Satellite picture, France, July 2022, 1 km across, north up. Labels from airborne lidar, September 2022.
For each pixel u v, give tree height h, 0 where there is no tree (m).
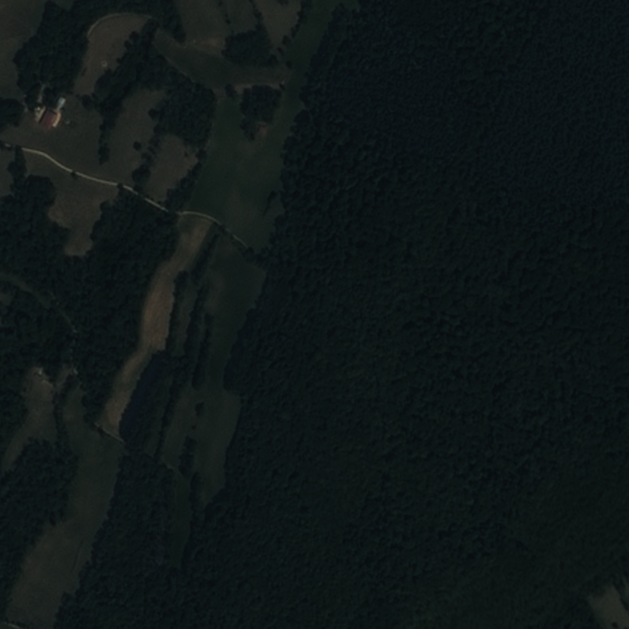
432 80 18
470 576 19
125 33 0
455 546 18
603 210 26
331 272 22
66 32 19
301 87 0
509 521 21
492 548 20
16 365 15
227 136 0
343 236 29
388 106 16
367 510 20
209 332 14
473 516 20
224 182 0
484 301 23
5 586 21
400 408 18
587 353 22
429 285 20
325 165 17
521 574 24
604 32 33
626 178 29
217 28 0
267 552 19
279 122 0
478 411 12
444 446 21
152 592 22
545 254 24
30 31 0
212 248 13
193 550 20
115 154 0
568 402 26
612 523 27
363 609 23
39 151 0
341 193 29
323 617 20
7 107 20
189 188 16
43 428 0
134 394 0
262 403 21
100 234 13
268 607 14
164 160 0
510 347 28
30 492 22
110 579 19
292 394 17
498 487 23
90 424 12
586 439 23
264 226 0
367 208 24
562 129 32
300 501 17
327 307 18
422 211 21
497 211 25
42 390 0
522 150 32
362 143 15
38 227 17
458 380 22
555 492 22
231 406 0
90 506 0
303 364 21
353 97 21
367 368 14
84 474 0
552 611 28
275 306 19
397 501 19
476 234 18
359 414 12
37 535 23
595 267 26
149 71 19
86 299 16
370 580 17
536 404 21
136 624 16
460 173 20
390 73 19
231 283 0
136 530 21
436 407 21
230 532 19
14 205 22
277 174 0
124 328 18
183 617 21
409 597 15
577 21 31
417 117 21
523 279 25
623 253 21
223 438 0
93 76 0
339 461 16
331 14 0
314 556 17
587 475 26
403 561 20
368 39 20
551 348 22
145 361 0
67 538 0
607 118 30
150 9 20
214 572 17
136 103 0
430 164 21
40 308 19
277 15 0
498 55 23
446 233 22
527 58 28
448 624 24
